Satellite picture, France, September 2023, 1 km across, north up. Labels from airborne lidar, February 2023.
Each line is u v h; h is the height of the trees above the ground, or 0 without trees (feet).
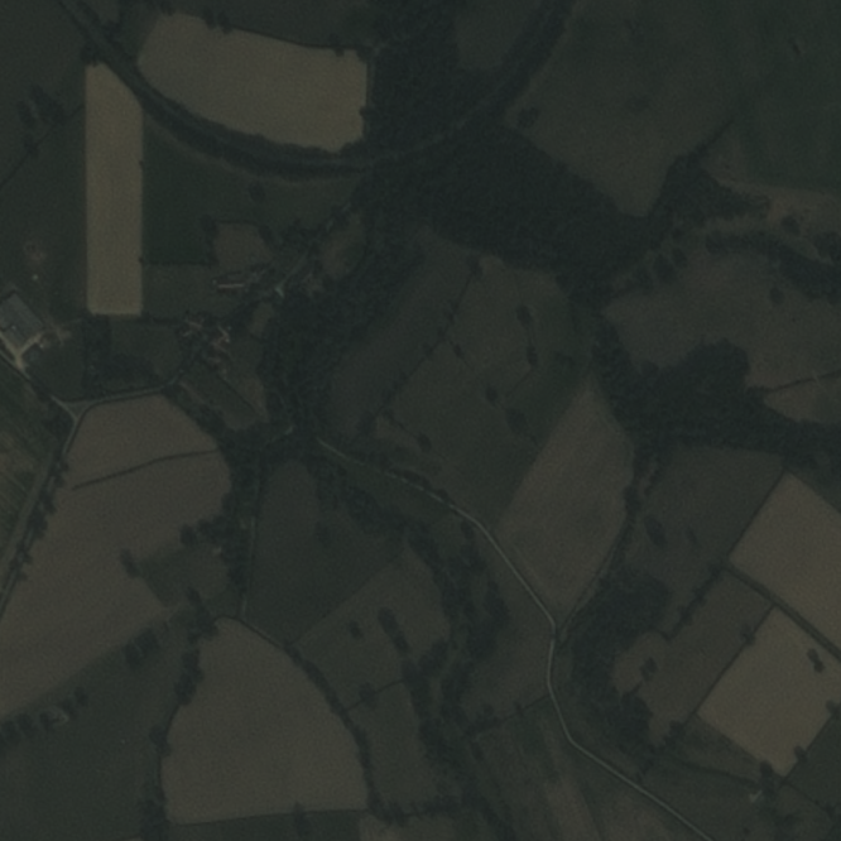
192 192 0
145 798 0
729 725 0
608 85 0
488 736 0
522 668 0
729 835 0
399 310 0
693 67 0
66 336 0
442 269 0
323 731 0
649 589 0
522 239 47
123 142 0
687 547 0
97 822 0
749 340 0
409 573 0
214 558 0
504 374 0
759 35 0
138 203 0
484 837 0
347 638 0
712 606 0
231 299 0
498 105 55
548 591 0
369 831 0
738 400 42
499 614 75
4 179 0
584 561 0
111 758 0
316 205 0
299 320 53
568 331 0
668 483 0
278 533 0
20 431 0
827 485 0
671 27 0
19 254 0
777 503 0
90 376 28
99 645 0
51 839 0
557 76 0
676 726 41
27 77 0
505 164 49
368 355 0
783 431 42
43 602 0
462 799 35
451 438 0
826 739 0
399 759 0
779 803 0
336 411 0
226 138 35
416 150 44
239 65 0
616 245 54
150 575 0
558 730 0
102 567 0
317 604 0
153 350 0
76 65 0
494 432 0
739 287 0
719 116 0
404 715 0
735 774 0
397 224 64
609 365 22
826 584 0
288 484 0
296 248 0
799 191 0
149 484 0
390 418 40
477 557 50
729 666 0
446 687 47
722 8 0
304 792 0
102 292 0
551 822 0
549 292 0
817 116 0
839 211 0
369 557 0
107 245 0
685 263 41
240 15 0
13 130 0
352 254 0
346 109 0
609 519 0
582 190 47
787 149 0
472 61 0
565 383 0
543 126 0
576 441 0
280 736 0
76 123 0
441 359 0
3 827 0
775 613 0
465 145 52
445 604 42
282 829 0
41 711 0
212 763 0
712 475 0
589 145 0
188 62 0
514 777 0
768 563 0
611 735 0
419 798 0
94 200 0
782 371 0
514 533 0
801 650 0
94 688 0
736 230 0
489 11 0
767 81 0
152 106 48
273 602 0
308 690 0
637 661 0
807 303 0
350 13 0
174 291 0
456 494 0
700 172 35
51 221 0
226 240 0
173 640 0
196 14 0
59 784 0
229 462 49
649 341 0
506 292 0
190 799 0
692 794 0
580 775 0
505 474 0
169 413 0
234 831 0
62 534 0
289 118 0
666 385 37
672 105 0
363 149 40
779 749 0
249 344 0
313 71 0
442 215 33
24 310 0
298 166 46
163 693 0
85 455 0
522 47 35
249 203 0
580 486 0
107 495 0
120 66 0
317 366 29
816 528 0
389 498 0
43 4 0
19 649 0
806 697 0
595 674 22
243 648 0
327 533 51
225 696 0
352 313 78
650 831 0
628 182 0
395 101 72
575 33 0
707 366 30
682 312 0
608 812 0
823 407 0
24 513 0
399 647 49
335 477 47
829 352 0
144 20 0
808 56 0
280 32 0
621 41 0
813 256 0
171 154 0
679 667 0
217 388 0
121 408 0
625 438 0
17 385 0
